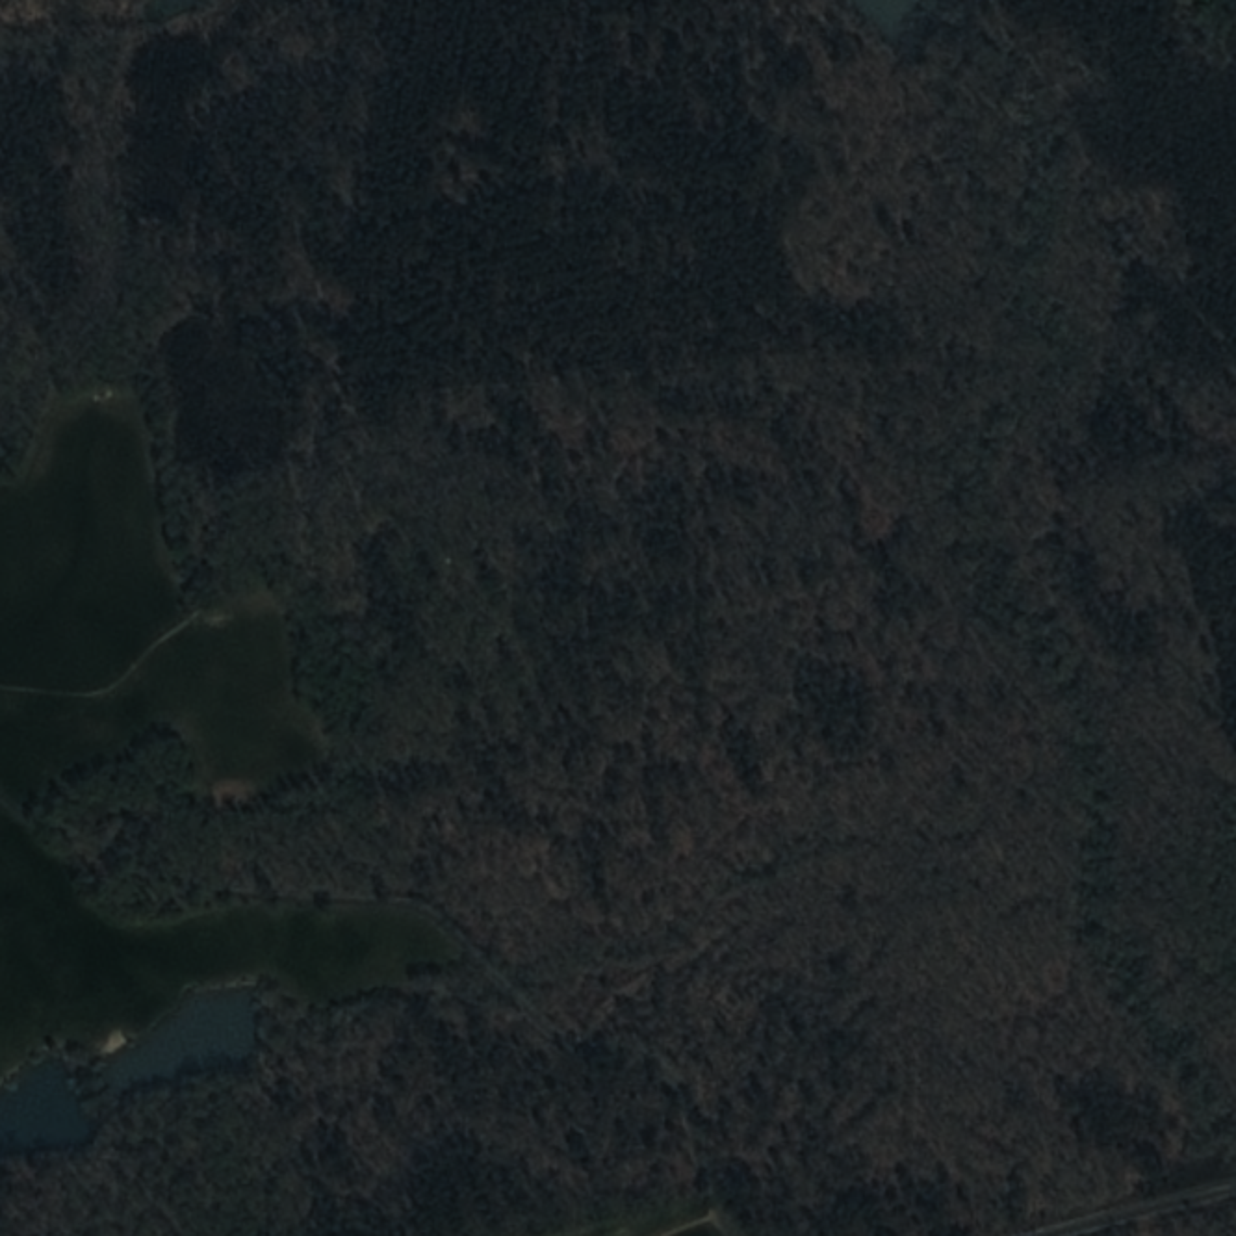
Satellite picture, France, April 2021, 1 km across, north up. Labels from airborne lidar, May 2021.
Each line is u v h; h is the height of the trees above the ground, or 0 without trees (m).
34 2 0
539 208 22
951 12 14
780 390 20
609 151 11
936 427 20
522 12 19
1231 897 28
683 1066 15
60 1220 19
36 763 0
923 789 15
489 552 20
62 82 22
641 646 16
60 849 20
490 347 21
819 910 15
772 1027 13
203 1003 0
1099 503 10
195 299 11
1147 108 19
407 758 16
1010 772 16
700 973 14
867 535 8
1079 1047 14
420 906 13
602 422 15
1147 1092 16
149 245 17
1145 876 22
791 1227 25
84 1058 12
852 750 22
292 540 18
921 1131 10
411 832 13
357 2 17
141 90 8
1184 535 18
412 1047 25
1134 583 12
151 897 19
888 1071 13
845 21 15
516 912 14
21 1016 0
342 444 19
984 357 18
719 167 23
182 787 24
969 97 20
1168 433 9
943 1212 25
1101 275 13
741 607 18
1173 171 21
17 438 20
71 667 0
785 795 9
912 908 18
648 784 14
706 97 22
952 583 17
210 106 11
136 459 0
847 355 24
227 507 22
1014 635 16
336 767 19
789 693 11
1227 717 16
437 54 21
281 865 20
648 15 20
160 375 16
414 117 21
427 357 20
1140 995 14
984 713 12
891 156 17
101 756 0
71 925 0
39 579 0
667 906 13
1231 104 19
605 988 11
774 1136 11
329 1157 19
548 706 19
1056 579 8
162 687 0
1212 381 19
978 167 18
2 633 0
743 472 9
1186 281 17
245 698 0
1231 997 26
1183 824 21
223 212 25
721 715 9
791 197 22
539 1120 13
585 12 22
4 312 18
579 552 22
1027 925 21
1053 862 21
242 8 9
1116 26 20
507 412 22
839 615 11
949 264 20
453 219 20
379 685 19
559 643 19
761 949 12
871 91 7
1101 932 19
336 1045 20
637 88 21
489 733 10
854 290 13
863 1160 10
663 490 21
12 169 22
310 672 20
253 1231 20
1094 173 13
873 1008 9
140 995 0
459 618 19
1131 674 11
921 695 10
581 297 20
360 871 16
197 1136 19
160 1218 17
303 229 17
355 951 0
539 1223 19
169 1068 0
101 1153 17
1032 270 24
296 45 16
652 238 23
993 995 18
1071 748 22
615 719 8
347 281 20
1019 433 15
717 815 18
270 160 27
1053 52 15
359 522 19
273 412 7
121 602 0
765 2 11
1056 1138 16
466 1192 23
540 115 23
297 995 0
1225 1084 24
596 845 26
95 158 16
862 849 21
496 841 8
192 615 13
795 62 12
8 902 0
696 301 17
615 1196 17
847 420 16
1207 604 18
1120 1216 0
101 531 0
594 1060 20
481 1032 21
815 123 17
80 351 24
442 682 15
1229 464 18
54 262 22
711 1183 16
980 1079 19
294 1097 20
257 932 0
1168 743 16
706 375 17
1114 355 15
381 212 20
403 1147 15
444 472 18
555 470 23
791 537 17
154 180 8
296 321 10
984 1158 13
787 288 24
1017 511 18
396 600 22
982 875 20
